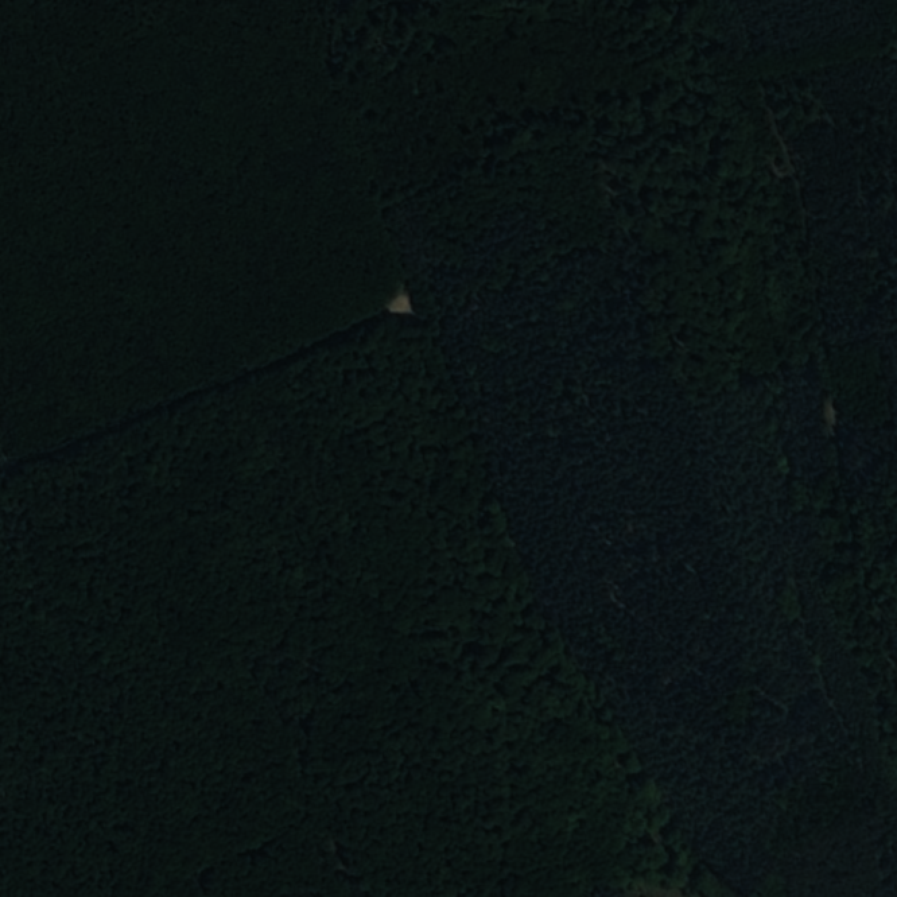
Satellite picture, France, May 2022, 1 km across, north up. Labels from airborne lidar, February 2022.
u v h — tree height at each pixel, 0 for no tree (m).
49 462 24
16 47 19
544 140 29
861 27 25
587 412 32
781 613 31
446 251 26
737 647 37
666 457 34
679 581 33
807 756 36
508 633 36
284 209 19
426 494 35
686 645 32
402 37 29
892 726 38
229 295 16
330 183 18
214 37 19
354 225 19
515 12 10
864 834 29
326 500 30
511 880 28
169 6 21
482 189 28
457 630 28
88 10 23
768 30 17
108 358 19
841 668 24
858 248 33
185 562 26
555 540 33
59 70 18
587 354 27
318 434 24
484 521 28
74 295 17
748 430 32
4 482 24
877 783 21
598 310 16
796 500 30
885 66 23
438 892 27
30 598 23
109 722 27
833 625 14
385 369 31
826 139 12
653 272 33
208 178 18
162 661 26
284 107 20
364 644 28
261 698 27
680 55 27
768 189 21
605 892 38
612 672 34
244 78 20
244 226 18
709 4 18
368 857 28
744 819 34
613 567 32
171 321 17
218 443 27
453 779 32
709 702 30
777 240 28
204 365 17
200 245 17
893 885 30
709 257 34
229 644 28
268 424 24
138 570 26
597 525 32
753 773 32
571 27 14
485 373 32
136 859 24
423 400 35
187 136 18
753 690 27
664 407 32
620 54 20
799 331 31
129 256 18
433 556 33
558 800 30
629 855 31
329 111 18
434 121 15
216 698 28
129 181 20
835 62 19
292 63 20
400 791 32
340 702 32
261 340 19
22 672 27
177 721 27
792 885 28
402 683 24
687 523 32
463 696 36
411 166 20
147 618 27
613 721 37
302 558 32
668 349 27
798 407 34
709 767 36
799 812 24
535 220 29
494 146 33
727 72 25
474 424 31
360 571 30
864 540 31
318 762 29
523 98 13
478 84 14
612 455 29
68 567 28
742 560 38
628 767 36
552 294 29
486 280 29
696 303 33
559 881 29
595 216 26
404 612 28
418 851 29
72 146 20
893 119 14
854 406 26
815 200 15
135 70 16
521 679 29
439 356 25
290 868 27
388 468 33
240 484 25
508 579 37
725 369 33
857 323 8
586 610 23
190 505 28
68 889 26
